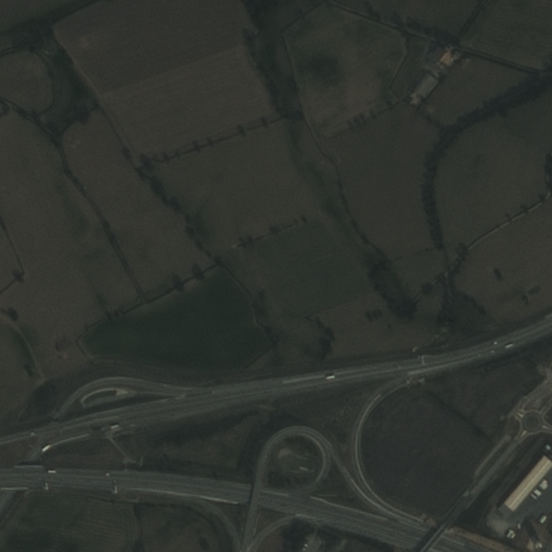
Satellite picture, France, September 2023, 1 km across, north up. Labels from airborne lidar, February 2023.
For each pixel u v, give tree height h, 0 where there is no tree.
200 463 0
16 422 0
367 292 0
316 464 0
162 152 0
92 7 0
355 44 0
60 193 0
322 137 0
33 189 0
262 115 0
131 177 0
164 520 0
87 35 0
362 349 0
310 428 0
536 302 0
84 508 0
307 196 0
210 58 0
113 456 0
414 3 0
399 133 0
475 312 0
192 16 0
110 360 0
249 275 0
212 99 0
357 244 0
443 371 0
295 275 0
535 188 0
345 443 0
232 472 0
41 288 0
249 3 22
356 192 0
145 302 0
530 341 0
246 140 0
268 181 0
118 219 0
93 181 0
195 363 0
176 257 0
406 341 0
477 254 0
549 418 0
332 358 0
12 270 0
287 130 0
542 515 0
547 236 0
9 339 0
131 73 0
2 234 0
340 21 0
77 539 0
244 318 0
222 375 0
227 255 0
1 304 0
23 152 0
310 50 0
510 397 0
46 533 0
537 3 0
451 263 0
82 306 0
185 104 0
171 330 0
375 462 0
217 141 0
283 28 0
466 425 0
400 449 0
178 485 0
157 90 0
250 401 0
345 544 0
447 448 0
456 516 0
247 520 0
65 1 0
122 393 0
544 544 0
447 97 0
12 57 0
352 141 0
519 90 11
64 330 0
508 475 0
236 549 0
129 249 0
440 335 0
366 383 0
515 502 0
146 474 0
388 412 0
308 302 0
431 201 13
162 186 16
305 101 0
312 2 0
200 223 0
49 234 0
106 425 0
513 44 0
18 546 0
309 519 0
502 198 0
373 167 0
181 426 0
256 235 0
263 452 0
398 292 0
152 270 0
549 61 0
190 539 0
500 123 0
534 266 0
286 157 0
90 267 0
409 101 0
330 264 0
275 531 0
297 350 0
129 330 0
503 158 0
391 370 0
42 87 0
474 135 0
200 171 0
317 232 0
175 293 0
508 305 0
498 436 0
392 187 0
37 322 0
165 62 0
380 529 0
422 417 0
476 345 0
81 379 0
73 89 0
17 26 0
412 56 0
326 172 0
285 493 0
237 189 0
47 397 0
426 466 0
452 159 0
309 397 0
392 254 0
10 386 0
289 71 0
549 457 0
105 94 0
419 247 0
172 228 0
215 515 0
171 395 0
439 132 15
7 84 0
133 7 0
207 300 0
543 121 0
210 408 0
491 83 0
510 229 0
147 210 0
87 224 0
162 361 0
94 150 0
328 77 0
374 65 0
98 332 0
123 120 0
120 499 0
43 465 0
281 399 0
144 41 0
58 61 0
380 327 0
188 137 0
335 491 0
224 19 0
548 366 0
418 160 0
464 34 0
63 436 0
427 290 14
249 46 14
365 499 0
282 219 0
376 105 0
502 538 0
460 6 0
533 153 0
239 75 0
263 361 0
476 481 0
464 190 0
